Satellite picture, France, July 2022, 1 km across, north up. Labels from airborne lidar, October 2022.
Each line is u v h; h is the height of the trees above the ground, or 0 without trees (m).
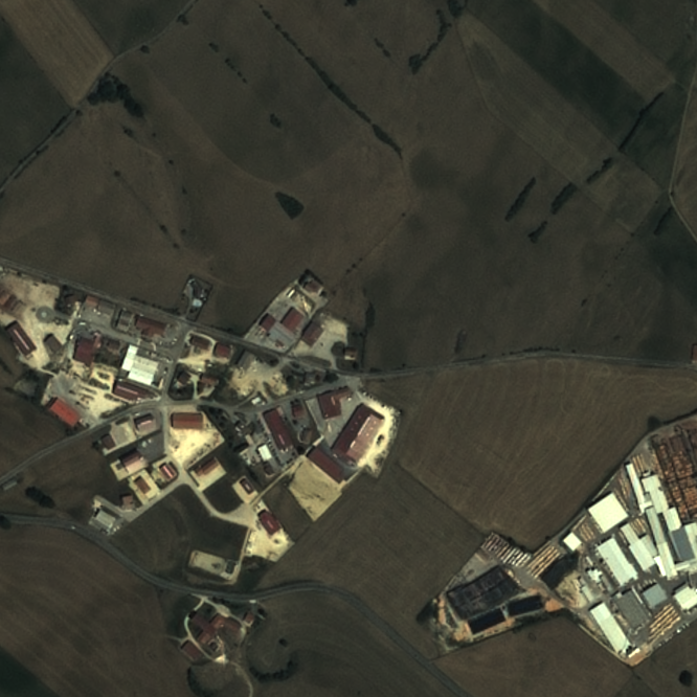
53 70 0
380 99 0
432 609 0
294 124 0
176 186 0
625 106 0
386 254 0
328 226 0
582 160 0
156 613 0
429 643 0
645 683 0
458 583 0
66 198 0
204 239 0
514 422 0
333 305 0
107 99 10
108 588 0
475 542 0
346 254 0
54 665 0
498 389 0
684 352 0
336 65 0
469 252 0
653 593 0
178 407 0
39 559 0
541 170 0
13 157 0
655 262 0
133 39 0
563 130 0
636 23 0
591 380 0
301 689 0
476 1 0
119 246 0
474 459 0
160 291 0
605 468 0
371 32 0
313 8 0
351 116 0
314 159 0
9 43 0
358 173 0
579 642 0
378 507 0
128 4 0
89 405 0
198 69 0
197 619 0
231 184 0
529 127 0
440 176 0
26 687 0
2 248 0
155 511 0
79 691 0
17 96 0
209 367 0
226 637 0
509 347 0
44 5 0
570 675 0
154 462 0
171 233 0
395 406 0
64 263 0
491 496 0
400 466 0
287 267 0
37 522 0
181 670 0
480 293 0
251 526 0
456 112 0
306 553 0
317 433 0
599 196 0
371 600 0
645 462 0
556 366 0
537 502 0
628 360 0
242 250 0
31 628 0
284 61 0
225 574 0
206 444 0
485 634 0
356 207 0
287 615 0
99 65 0
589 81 0
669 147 0
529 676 0
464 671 0
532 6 0
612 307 0
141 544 0
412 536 0
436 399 0
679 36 0
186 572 0
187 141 0
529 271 0
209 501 0
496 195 0
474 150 0
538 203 0
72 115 0
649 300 0
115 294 0
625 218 0
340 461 0
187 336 0
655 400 0
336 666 0
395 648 0
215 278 0
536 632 0
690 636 0
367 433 0
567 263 0
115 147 0
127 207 0
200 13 0
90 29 0
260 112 0
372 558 0
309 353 0
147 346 0
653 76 0
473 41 0
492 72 0
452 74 0
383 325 0
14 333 0
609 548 0
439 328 0
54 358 0
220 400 0
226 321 0
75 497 0
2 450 0
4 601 0
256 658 0
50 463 0
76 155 0
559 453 0
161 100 0
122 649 0
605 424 0
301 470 0
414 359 0
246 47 0
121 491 0
